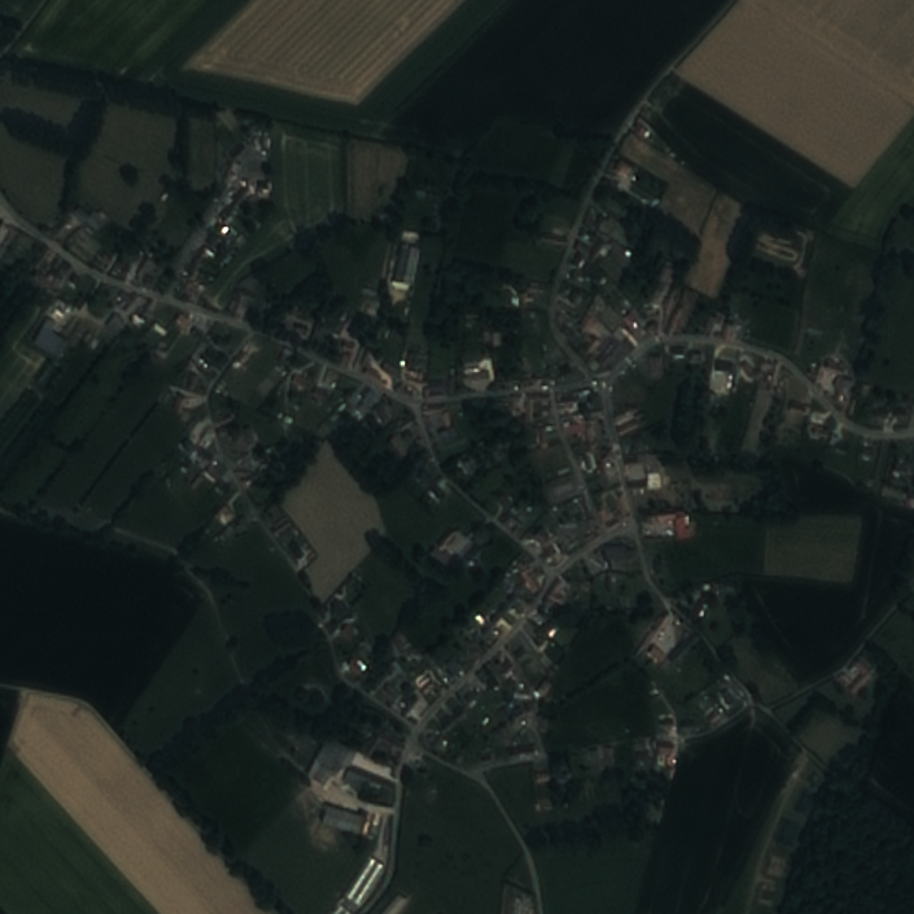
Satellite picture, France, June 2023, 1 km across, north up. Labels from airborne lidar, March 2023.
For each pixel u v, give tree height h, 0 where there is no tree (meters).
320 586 0
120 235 9
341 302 13
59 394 0
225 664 0
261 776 0
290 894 0
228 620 0
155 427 0
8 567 0
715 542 0
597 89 0
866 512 0
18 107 0
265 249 0
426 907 0
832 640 0
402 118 0
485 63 0
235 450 0
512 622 0
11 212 0
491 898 0
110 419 0
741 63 0
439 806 0
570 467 0
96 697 0
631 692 0
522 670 0
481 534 15
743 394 0
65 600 0
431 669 0
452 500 0
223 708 14
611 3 0
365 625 0
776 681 0
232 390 0
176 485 0
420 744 0
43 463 0
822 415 0
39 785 0
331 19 0
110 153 0
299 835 0
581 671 0
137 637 0
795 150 0
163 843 0
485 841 0
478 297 13
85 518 0
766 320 0
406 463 18
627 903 0
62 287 0
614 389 0
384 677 6
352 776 0
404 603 0
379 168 0
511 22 0
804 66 0
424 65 0
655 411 0
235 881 0
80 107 0
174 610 0
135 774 0
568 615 18
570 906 0
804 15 0
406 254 0
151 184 0
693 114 0
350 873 0
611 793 0
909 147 0
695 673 0
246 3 0
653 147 0
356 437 21
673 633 0
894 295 0
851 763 27
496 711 0
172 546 0
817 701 14
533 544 0
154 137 0
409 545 0
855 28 0
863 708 0
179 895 0
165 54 0
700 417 21
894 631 0
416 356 0
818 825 17
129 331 12
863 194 0
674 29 0
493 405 7
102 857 0
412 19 0
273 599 0
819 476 0
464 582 0
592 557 0
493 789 0
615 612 7
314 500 0
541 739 0
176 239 0
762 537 0
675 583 0
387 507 0
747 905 0
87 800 0
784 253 0
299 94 0
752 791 0
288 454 13
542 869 0
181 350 0
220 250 13
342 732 16
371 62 0
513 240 0
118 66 0
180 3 0
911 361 0
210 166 0
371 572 0
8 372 0
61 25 0
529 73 0
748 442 0
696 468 10
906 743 0
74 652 0
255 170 0
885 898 24
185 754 24
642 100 0
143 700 0
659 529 0
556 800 12
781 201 0
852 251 0
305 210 0
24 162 0
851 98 0
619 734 0
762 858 0
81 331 0
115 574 0
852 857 22
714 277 0
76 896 0
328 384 0
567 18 0
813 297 0
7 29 8
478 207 0
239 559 0
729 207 0
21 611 0
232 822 0
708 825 0
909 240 0
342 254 0
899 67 0
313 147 0
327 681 0
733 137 0
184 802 14
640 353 0
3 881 0
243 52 0
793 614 0
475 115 0
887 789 0
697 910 0
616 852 0
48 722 0
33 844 0
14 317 12
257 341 0
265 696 23
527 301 0
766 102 0
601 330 0
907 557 16
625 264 0
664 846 0
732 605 19
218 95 0
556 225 0
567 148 0
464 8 0
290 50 0
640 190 0
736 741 0
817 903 23
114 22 0
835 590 0
